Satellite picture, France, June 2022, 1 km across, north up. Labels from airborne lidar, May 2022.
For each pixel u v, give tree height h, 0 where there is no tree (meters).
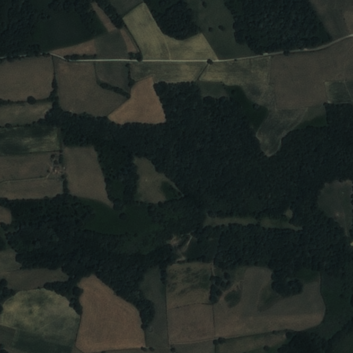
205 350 0
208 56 0
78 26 0
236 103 15
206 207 12
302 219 18
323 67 0
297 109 0
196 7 0
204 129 18
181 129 21
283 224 0
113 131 22
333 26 0
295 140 14
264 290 0
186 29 19
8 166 0
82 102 0
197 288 0
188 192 20
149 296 0
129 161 24
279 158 14
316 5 0
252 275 0
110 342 0
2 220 0
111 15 17
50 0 0
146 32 0
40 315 0
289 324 0
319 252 15
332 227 18
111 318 0
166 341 0
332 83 0
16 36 24
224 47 0
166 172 23
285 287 25
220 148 14
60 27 0
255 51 13
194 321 0
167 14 14
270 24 9
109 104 0
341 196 0
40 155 0
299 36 8
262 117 0
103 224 0
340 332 11
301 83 0
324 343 17
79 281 17
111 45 0
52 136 0
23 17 25
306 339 21
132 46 0
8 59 14
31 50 12
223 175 17
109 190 9
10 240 21
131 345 0
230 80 0
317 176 21
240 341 0
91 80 0
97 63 0
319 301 0
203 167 18
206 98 12
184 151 19
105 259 21
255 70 0
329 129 16
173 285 0
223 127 15
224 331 0
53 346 0
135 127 23
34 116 0
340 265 15
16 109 0
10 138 0
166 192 0
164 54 0
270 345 0
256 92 0
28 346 0
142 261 22
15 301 0
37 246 22
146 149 28
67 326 0
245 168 7
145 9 0
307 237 14
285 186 19
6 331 0
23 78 0
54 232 25
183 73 0
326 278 0
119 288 20
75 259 28
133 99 0
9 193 0
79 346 0
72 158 0
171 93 18
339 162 12
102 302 0
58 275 0
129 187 16
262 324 0
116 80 0
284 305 0
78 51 0
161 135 18
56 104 13
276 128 0
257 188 21
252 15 19
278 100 0
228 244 10
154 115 0
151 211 14
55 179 0
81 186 0
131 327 0
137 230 0
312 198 17
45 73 0
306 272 0
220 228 12
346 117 15
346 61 0
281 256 15
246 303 0
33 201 7
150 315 15
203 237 15
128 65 12
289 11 14
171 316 0
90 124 24
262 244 12
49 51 0
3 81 0
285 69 0
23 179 0
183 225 10
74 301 13
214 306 0
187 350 0
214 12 0
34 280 0
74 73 0
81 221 18
